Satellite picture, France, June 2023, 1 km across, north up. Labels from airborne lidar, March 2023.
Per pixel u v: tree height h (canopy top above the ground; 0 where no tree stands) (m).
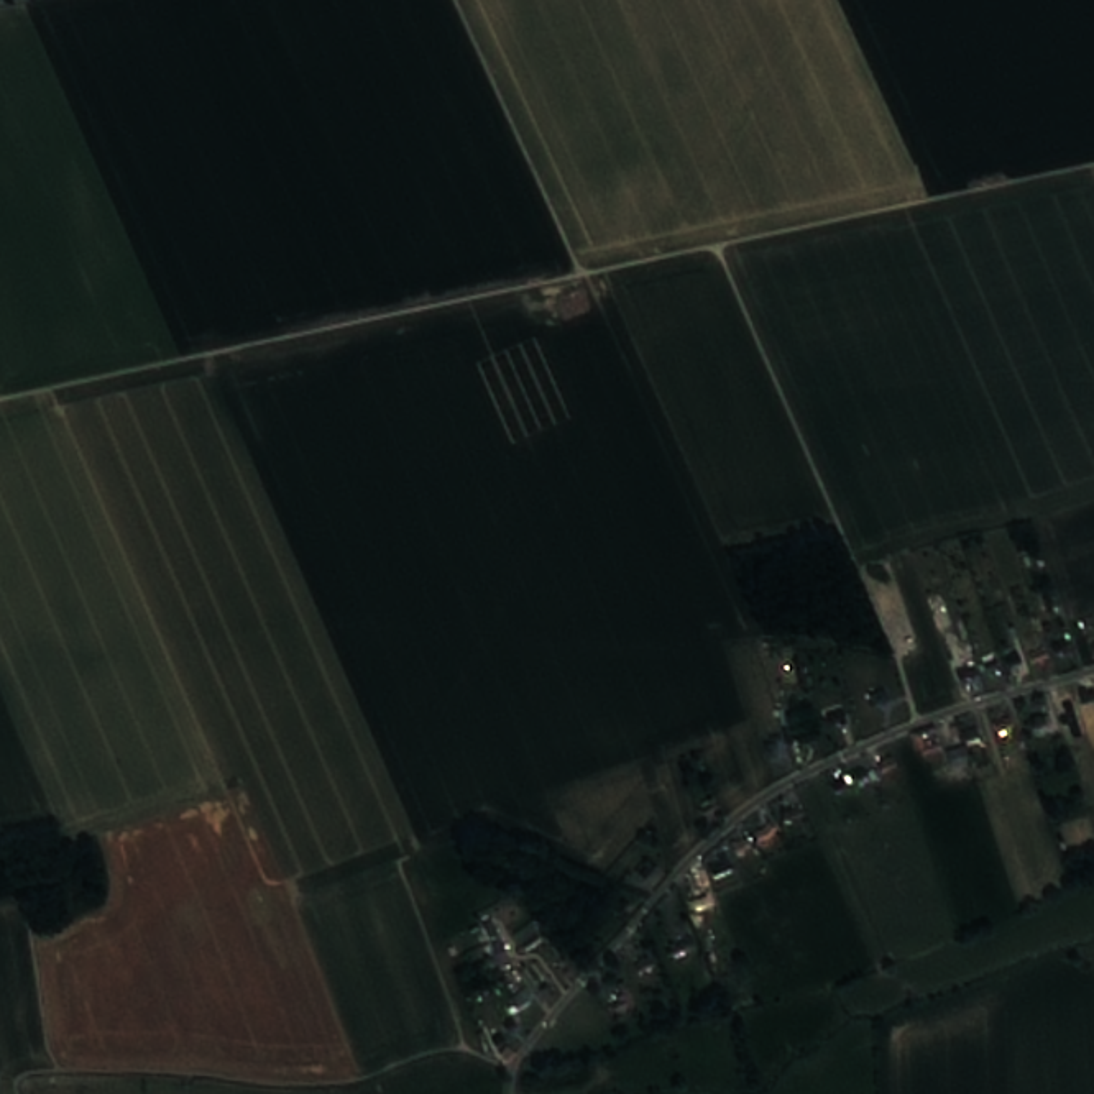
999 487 0
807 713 11
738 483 0
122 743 0
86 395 0
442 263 0
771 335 0
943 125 0
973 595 0
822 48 0
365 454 0
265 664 0
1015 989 0
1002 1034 0
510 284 0
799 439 0
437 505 0
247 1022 0
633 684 0
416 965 0
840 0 0
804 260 0
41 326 0
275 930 0
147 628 0
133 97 0
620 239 0
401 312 0
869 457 0
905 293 0
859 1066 0
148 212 0
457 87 0
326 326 0
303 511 0
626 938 0
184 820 0
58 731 0
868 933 0
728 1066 0
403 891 0
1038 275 0
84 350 0
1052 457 0
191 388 0
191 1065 0
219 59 0
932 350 0
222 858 0
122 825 0
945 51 0
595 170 0
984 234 0
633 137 0
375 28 0
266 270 0
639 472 0
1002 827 0
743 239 0
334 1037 0
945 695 0
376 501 0
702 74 0
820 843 0
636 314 0
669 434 0
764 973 0
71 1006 0
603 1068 0
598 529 0
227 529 0
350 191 0
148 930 0
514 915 0
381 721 0
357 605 0
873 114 0
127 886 0
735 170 0
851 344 0
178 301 0
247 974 0
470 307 0
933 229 0
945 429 0
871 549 0
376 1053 0
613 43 0
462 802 0
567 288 0
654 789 0
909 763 0
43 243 0
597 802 0
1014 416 0
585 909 29
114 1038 0
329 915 0
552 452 0
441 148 0
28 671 0
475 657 0
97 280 0
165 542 0
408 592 0
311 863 0
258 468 0
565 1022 0
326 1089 0
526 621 0
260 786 0
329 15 0
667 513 0
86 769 0
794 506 0
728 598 0
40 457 0
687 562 0
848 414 0
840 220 0
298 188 0
